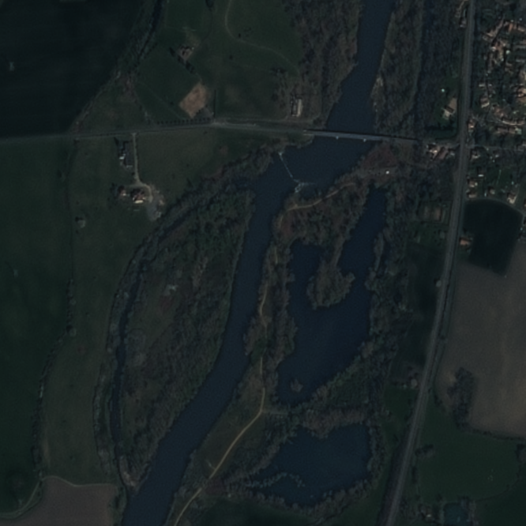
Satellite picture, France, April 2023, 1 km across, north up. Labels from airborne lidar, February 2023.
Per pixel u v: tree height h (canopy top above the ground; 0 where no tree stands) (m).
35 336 0
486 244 0
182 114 0
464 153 0
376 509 0
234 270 13
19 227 0
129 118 0
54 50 0
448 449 0
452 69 10
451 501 0
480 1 16
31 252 0
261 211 0
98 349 0
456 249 0
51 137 0
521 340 0
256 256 0
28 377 0
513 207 0
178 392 18
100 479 0
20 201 0
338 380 21
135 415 0
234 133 0
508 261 0
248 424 0
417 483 15
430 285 0
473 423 0
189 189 13
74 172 0
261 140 0
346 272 0
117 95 0
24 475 0
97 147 0
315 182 0
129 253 0
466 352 0
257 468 18
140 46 27
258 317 17
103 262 0
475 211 0
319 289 24
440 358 0
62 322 0
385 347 9
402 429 0
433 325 0
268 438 6
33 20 0
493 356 0
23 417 0
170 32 0
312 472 0
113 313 7
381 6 0
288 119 0
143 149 0
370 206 0
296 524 0
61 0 10
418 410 0
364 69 0
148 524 0
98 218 0
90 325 0
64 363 0
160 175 0
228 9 0
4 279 0
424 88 26
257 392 0
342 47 26
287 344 18
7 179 0
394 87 6
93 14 0
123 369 12
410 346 0
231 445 0
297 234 24
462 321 0
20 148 0
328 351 0
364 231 0
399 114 28
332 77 29
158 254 6
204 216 22
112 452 0
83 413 0
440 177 18
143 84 0
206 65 0
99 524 0
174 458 0
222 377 0
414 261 0
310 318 0
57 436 0
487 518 0
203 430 0
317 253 0
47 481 0
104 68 0
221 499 0
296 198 21
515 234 0
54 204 0
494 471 0
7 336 0
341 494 24
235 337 0
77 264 0
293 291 0
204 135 0
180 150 0
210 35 0
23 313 0
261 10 0
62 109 0
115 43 0
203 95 0
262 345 0
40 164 0
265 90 0
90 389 0
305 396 0
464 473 0
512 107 22
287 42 0
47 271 0
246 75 0
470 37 0
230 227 16
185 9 0
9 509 0
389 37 0
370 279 27
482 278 0
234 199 23
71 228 0
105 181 0
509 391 0
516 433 0
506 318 0
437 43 25
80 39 0
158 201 0
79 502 0
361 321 0
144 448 21
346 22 20
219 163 0
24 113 0
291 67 0
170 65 0
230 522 0
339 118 0
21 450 0
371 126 0
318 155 0
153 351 0
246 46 0
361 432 0
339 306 0
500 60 6
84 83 0
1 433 0
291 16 15
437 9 26
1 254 0
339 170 0
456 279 0
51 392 0
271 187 0
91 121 0
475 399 0
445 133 18
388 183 6
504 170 0
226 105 0
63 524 0
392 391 0
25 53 0
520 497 0
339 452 0
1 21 0
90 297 0
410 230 16
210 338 13
